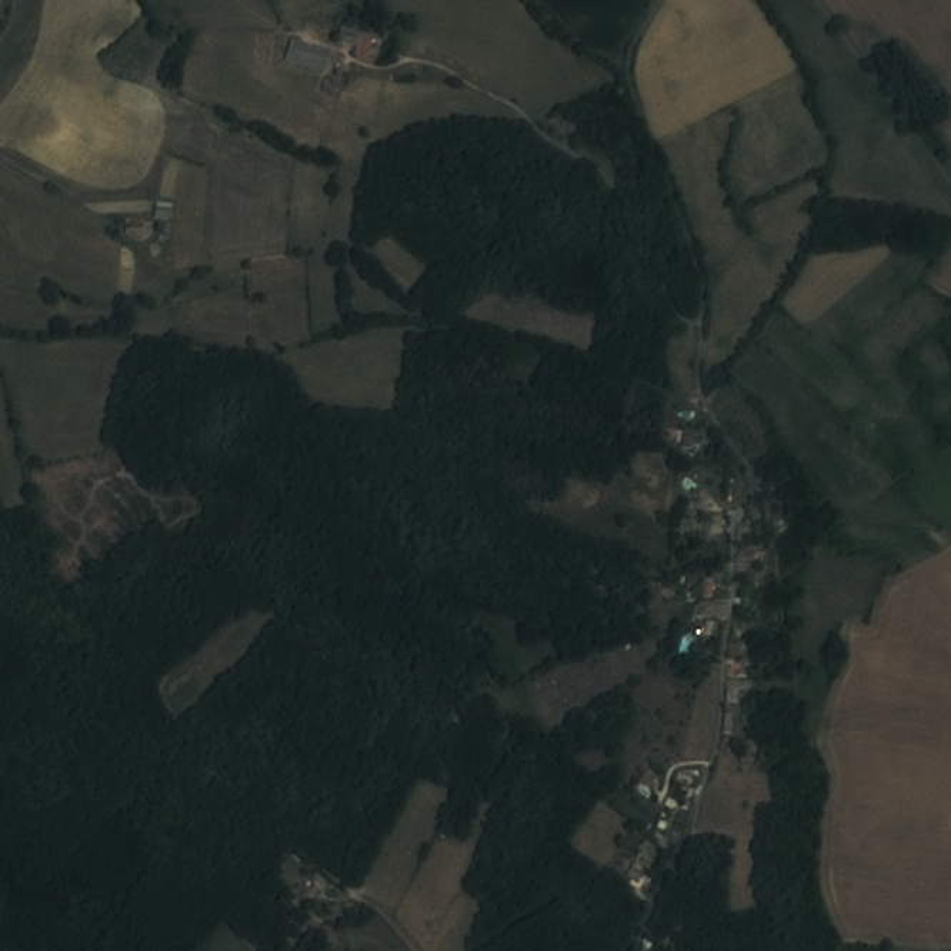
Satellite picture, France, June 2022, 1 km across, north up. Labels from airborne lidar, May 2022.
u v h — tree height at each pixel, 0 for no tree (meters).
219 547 19
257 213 0
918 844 0
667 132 0
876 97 0
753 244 0
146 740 13
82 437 0
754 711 15
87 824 19
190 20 0
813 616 0
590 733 18
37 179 0
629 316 9
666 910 13
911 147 0
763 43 0
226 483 12
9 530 22
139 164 0
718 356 0
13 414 8
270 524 11
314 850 16
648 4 8
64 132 0
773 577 10
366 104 0
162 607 11
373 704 20
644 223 19
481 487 16
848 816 0
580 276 6
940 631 0
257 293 7
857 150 0
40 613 19
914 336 0
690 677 7
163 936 22
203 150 0
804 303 0
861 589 0
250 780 9
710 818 0
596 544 10
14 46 0
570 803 16
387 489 21
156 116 0
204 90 0
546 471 10
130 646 19
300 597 18
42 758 21
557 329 0
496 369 21
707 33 0
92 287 0
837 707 0
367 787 16
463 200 12
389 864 0
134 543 18
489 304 0
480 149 16
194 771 9
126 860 9
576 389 17
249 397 9
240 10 0
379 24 12
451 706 12
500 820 11
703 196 0
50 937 12
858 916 0
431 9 0
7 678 13
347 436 14
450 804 13
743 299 0
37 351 0
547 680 0
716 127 0
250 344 8
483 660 19
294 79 0
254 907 23
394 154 18
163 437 14
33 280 0
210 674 0
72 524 0
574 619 17
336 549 20
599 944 18
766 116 0
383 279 20
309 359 0
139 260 0
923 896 0
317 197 0
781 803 11
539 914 15
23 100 0
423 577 14
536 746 21
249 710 15
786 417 0
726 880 25
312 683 18
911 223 10
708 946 15
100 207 0
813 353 0
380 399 0
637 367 19
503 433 17
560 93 0
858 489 0
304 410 17
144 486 17
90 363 0
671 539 7
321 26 0
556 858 15
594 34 0
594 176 15
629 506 0
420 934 0
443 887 0
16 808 17
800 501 7
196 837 13
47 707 15
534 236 16
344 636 21
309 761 16
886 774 0
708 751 0
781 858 16
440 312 19
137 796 14
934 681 0
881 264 0
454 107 0
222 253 0
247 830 15
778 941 9
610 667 0
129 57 0
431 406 18
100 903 12
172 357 19
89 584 22
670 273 16
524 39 0
